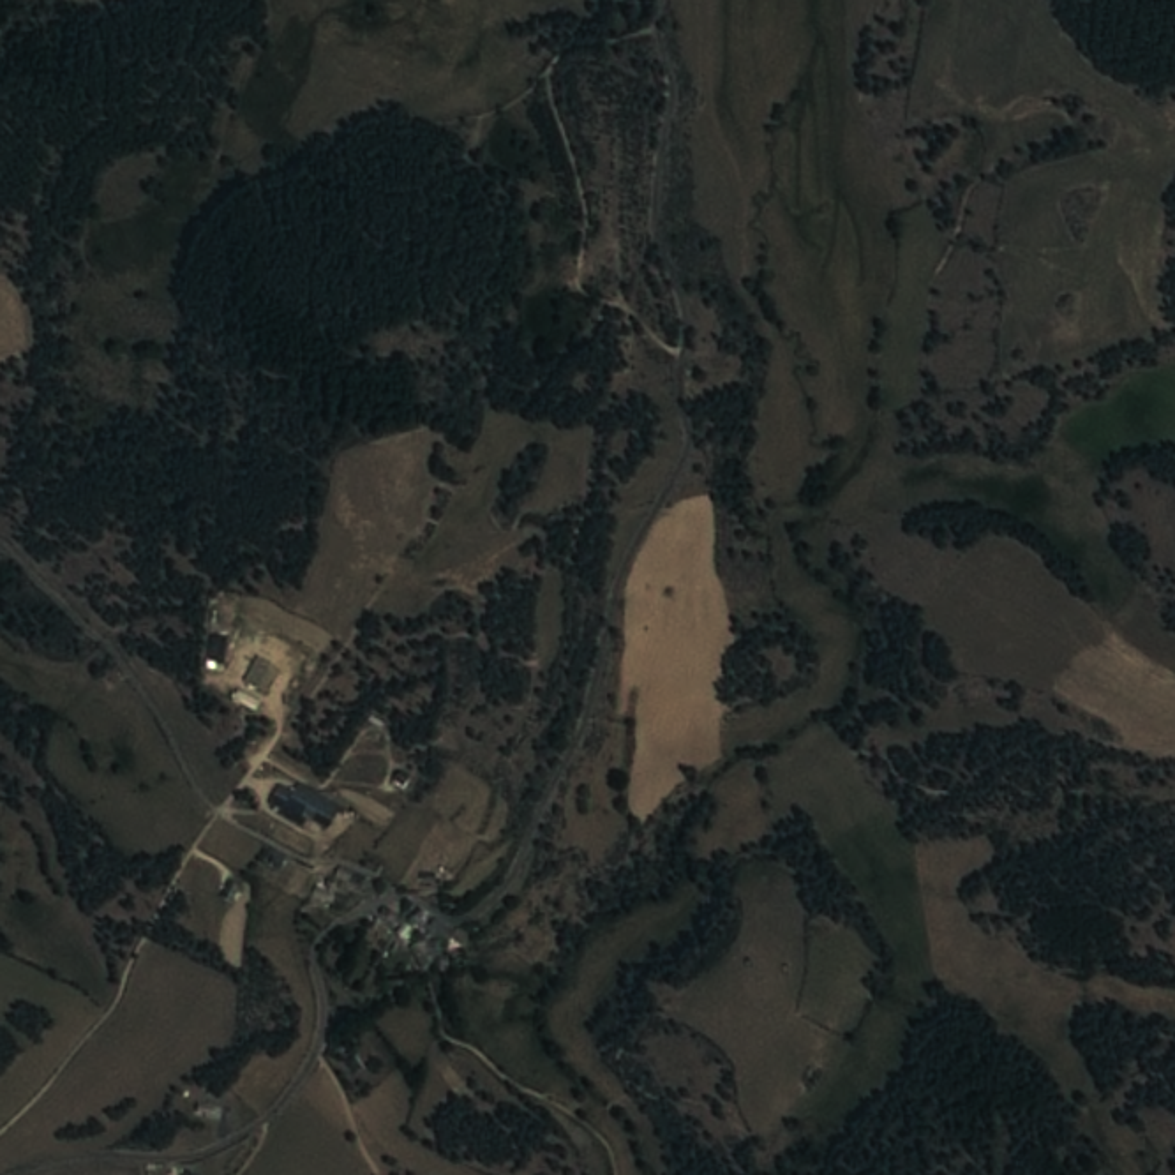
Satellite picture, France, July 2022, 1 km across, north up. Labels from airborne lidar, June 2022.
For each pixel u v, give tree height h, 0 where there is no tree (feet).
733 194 0
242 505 73
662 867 24
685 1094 39
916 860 0
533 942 0
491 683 42
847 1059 0
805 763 0
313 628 0
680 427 0
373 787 0
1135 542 53
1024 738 53
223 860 0
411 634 28
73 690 0
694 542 0
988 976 0
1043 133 0
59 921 0
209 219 49
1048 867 38
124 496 59
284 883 0
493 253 62
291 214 64
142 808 0
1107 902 41
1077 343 0
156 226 0
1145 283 0
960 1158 50
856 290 0
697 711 0
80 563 0
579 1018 0
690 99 0
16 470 59
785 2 0
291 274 62
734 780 0
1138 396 0
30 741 50
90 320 0
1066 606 0
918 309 0
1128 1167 0
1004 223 0
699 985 0
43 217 55
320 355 69
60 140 57
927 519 60
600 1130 0
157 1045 0
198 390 78
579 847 0
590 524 53
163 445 58
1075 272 0
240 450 63
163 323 0
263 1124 0
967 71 0
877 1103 52
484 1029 0
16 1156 0
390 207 62
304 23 0
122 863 46
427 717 44
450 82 0
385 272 57
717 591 0
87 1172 0
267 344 66
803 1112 0
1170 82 45
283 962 0
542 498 0
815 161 0
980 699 0
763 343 58
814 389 0
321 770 53
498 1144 56
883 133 0
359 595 0
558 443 0
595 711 0
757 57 0
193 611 38
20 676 0
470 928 34
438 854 0
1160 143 0
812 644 48
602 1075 0
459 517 0
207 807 0
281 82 0
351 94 0
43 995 0
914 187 46
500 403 68
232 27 54
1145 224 0
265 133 0
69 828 51
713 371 0
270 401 48
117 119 53
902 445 19
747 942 0
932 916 0
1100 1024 31
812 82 0
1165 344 43
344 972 51
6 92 50
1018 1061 70
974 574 0
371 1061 24
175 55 49
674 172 0
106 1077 0
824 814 0
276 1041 45
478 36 0
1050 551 66
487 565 0
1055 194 0
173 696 0
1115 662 0
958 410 24
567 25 46
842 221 0
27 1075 0
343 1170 0
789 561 0
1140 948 0
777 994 0
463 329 48
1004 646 0
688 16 0
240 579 47
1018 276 0
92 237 0
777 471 0
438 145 63
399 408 71
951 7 0
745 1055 0
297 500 57
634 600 0
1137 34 48
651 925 0
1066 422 0
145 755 0
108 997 0
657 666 0
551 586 0
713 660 0
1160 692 0
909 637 58
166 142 54
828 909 57
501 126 0
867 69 42
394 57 0
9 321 0
